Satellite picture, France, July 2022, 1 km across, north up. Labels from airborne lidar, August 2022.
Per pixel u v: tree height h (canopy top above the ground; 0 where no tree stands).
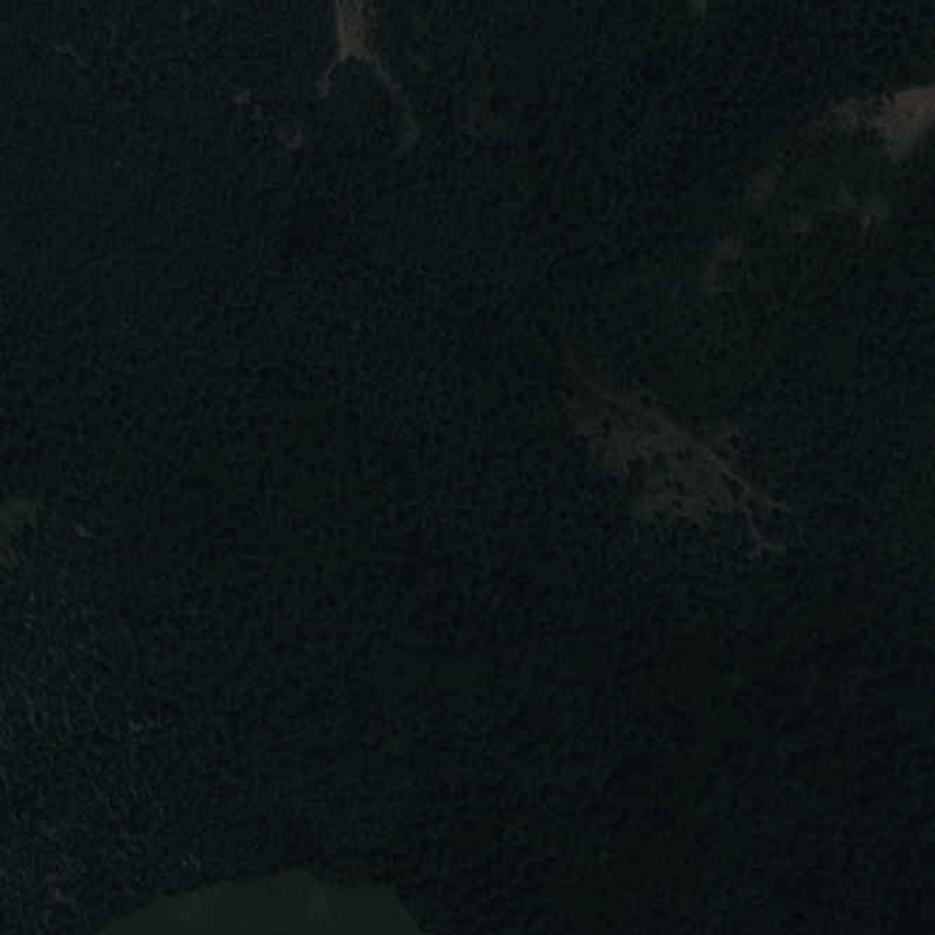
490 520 13
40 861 17
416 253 22
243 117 12
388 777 21
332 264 9
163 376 18
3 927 22
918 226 16
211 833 23
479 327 29
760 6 10
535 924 12
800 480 20
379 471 8
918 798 23
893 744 16
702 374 7
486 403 7
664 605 21
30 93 17
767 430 19
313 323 19
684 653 11
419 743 22
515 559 22
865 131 13
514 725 21
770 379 19
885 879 19
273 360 7
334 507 15
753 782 21
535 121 12
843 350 7
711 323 9
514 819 14
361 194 24
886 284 11
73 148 17
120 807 21
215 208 20
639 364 15
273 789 18
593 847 14
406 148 8
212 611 17
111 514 21
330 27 8
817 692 11
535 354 6
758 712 12
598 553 14
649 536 13
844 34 17
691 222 8
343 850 23
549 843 20
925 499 10
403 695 14
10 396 8
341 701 10
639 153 20
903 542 11
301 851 17
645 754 23
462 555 13
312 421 12
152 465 7
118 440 6
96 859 16
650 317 8
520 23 8
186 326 8
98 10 17
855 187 9
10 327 16
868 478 11
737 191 10
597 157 8
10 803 15
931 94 0
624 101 14
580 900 11
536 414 6
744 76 12
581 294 8
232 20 15
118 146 18
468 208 19
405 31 8
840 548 8
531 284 7
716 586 15
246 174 16
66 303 26
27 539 22
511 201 8
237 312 16
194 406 25
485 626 16
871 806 22
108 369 15
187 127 16
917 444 7
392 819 11
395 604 18
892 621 9
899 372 11
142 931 0
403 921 0
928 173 8
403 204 19
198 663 22
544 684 25
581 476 12
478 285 15
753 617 17
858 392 14
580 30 17
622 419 0
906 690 31
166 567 16
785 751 22
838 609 19
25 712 21
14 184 15
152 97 22
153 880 21
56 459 19
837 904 20
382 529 19
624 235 19
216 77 17
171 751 27
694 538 13
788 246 7
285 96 14
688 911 9
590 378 0
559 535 22
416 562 19
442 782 10
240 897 0
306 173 14
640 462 16
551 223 7
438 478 7
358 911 0
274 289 18
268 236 24
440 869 20
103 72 25
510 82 15
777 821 24
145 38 20
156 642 10
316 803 21
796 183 7
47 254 17
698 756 11
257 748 17
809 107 9
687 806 9
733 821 17
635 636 23
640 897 12
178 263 21
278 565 9
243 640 7
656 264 7
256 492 7
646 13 11
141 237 17
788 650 11
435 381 14
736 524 8
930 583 13
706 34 15
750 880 21
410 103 7
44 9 19
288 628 9
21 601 20
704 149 17
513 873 21
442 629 17
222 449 7
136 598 17
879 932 17
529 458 10
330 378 15
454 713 8
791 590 8
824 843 15
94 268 19
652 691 11
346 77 13
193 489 23
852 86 6
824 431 9
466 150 10
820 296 16
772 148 8
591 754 21
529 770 16
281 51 17
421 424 8
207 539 21
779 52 7
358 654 18
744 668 9
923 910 24
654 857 11
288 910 0
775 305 7
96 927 19
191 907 0
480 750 16
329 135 9
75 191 17
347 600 8
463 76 14
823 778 11
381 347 26
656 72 9
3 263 23
